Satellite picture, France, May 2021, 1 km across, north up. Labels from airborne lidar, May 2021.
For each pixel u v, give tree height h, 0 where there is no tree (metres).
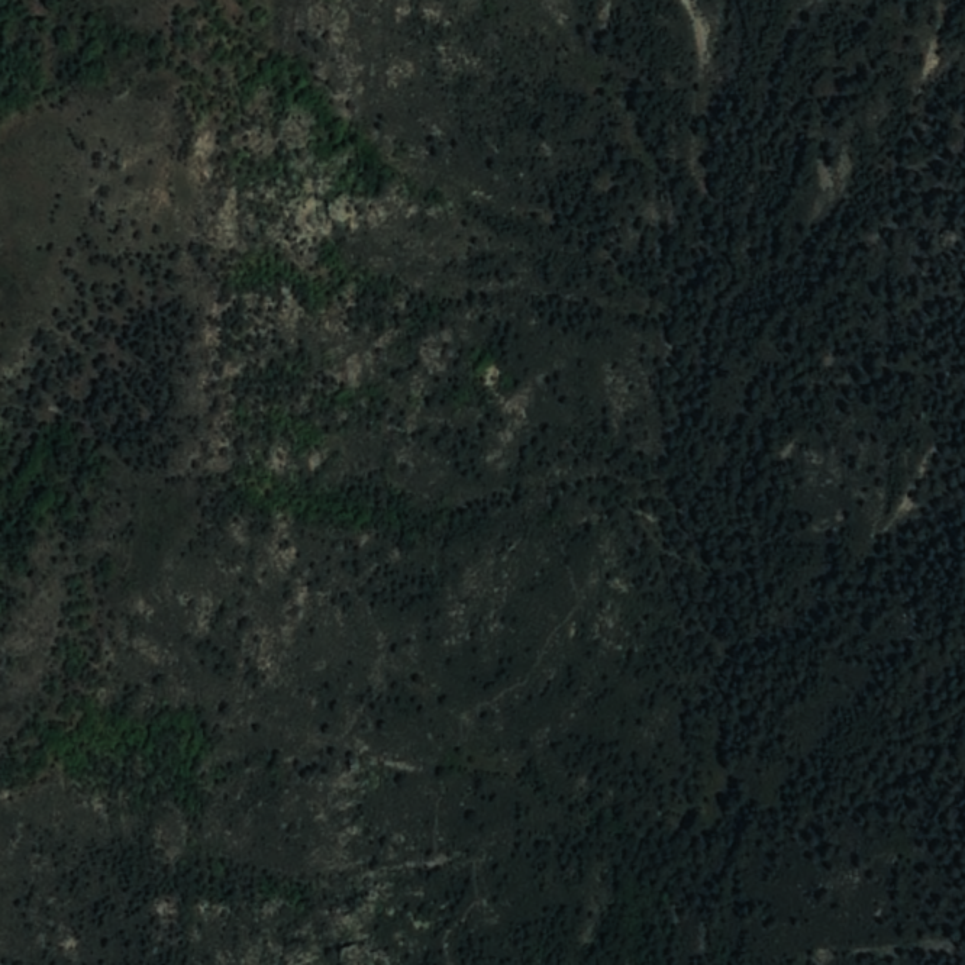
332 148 6
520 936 13
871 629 21
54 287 0
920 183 29
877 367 24
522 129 14
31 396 20
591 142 11
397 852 15
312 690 7
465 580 0
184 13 13
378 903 14
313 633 14
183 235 0
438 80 9
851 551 17
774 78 25
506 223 11
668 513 32
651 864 14
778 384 26
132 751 17
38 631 0
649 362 12
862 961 12
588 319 29
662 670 24
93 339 18
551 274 26
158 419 15
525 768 12
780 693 24
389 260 0
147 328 13
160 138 0
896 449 13
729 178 27
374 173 17
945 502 16
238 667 11
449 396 17
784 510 13
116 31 7
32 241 0
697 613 32
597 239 30
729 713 26
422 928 7
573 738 17
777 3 12
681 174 15
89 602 9
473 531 12
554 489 12
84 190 0
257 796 6
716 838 24
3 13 24
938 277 18
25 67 15
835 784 30
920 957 19
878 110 0
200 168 0
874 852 0
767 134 26
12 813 0
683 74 16
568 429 9
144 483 0
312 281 15
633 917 14
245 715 0
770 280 14
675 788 19
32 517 11
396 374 21
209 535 8
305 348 16
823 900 22
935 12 12
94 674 10
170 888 8
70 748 9
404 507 10
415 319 11
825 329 12
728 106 30
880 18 27
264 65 20
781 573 14
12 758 7
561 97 23
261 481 14
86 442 10
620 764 25
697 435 24
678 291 30
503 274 20
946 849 19
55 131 0
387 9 0
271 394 16
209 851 8
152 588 0
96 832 0
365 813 14
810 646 12
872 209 14
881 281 11
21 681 0
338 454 11
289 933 12
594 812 16
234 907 14
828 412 12
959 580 22
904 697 22
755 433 24
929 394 17
